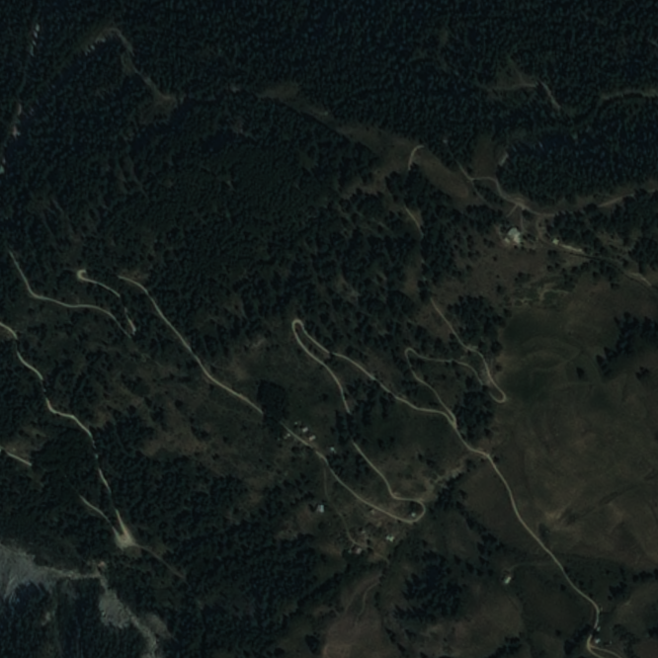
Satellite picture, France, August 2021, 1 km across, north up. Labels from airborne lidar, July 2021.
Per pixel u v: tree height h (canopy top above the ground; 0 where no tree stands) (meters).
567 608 0
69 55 11
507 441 0
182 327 15
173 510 10
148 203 21
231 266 21
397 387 0
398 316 20
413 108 20
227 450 0
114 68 11
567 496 0
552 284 0
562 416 0
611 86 18
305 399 0
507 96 8
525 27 17
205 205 20
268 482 0
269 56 13
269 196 19
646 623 0
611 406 0
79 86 20
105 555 19
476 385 18
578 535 0
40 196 23
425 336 23
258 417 0
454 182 0
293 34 22
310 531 0
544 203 14
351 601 0
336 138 15
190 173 16
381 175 0
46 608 15
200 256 22
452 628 0
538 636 0
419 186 21
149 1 9
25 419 13
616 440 0
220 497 16
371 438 0
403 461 0
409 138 10
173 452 0
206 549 22
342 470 9
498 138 12
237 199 16
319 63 22
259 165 20
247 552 23
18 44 20
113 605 0
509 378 0
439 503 8
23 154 21
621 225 18
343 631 0
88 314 18
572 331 0
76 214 20
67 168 22
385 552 0
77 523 26
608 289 0
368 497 0
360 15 37
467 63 12
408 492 0
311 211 14
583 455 0
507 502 0
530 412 0
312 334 15
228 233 12
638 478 0
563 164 14
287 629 16
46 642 12
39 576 0
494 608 0
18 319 0
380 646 0
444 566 13
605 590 0
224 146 18
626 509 0
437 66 8
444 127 13
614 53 15
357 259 21
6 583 0
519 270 0
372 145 0
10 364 15
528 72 9
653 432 0
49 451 16
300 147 14
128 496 14
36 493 10
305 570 16
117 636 13
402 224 20
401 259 17
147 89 23
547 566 0
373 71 23
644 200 16
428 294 19
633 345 22
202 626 15
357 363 0
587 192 11
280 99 0
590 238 18
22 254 20
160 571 28
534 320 0
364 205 21
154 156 19
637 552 0
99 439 17
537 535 0
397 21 17
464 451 0
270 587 17
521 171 8
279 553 14
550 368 0
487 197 9
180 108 0
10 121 11
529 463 0
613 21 19
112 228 21
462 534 0
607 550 0
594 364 0
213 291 20
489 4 21
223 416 0
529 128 12
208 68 6
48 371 0
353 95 20
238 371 0
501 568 0
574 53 17
